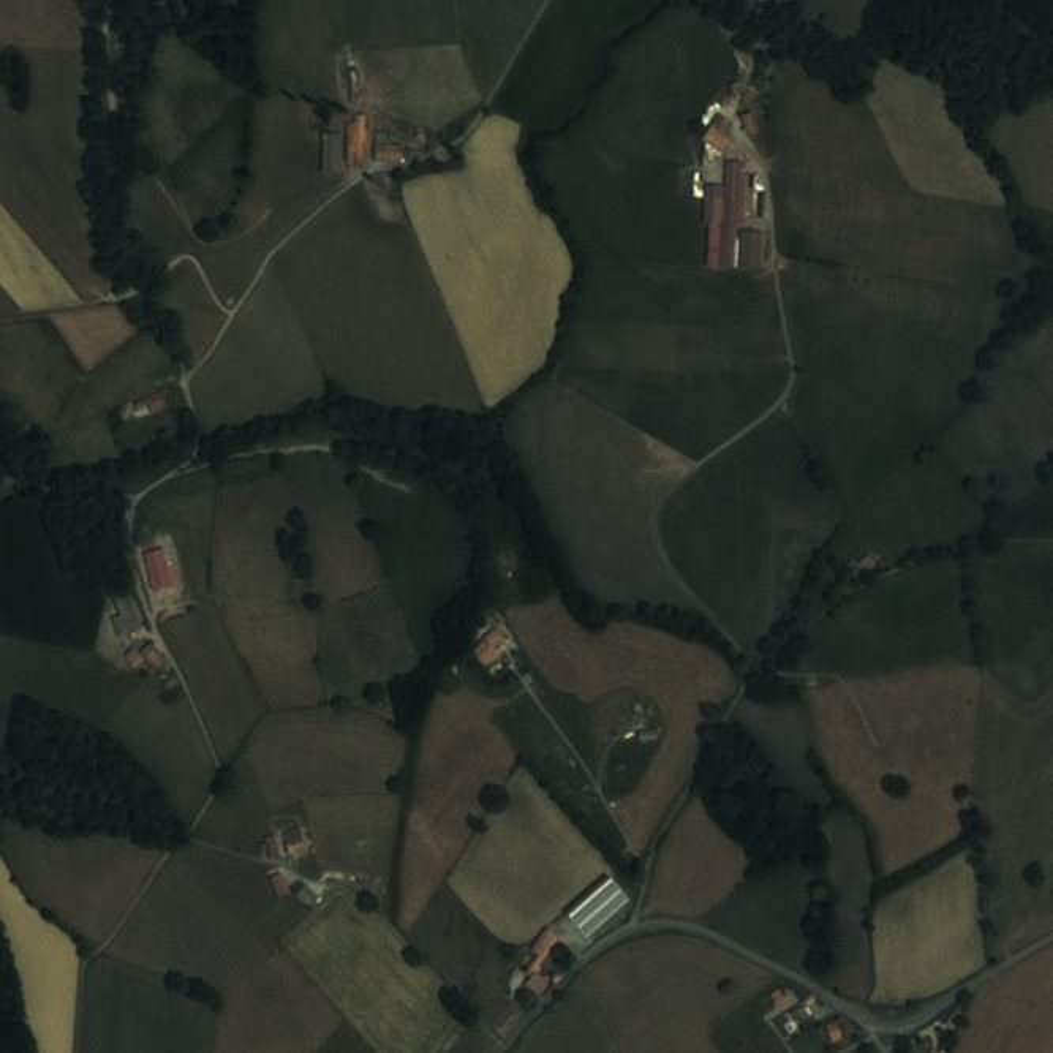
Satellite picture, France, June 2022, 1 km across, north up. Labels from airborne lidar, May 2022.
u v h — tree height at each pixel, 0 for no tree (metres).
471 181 0
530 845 0
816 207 0
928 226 0
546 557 15
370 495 0
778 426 0
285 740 0
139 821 22
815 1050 0
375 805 0
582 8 0
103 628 0
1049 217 0
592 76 0
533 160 7
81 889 0
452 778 0
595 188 0
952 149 0
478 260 0
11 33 0
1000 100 20
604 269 0
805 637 21
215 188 0
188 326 0
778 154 0
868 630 0
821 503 0
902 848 0
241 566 0
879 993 0
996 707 0
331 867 0
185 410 9
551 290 0
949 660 0
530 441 0
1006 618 0
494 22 0
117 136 28
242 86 18
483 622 11
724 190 0
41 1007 0
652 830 0
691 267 0
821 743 0
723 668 0
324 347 0
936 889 0
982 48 26
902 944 0
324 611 0
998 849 0
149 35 17
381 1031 0
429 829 0
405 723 17
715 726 11
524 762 7
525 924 0
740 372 0
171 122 0
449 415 11
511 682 13
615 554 0
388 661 0
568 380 0
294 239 0
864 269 0
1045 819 0
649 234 0
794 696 8
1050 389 0
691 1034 0
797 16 19
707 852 0
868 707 0
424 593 0
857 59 19
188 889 0
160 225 0
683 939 0
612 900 0
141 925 0
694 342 0
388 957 0
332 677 0
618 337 0
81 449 0
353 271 0
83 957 10
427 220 0
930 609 0
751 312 0
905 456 0
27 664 0
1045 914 0
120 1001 0
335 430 0
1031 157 0
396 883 0
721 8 18
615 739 0
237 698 0
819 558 9
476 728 0
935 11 24
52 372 0
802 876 0
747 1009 0
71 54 0
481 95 0
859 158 0
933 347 0
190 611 0
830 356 0
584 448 0
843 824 0
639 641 0
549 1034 0
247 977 0
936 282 0
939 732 0
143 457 11
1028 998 0
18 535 0
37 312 0
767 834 23
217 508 0
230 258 0
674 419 0
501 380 0
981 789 0
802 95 0
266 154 0
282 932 0
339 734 0
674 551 0
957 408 0
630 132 0
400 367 0
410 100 0
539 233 0
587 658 0
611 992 0
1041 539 0
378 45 0
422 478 13
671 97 0
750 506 0
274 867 0
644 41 0
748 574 0
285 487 0
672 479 0
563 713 0
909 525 0
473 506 18
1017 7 20
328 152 0
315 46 0
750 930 0
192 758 0
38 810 20
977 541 9
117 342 0
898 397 0
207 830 0
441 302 0
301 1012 0
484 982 0
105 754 26
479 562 17
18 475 25
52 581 0
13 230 0
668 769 0
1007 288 18
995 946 0
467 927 0
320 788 0
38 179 0
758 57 12
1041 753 0
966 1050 0
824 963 20
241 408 0
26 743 26
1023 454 0
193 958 0
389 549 0
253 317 0
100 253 16
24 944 0
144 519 0
